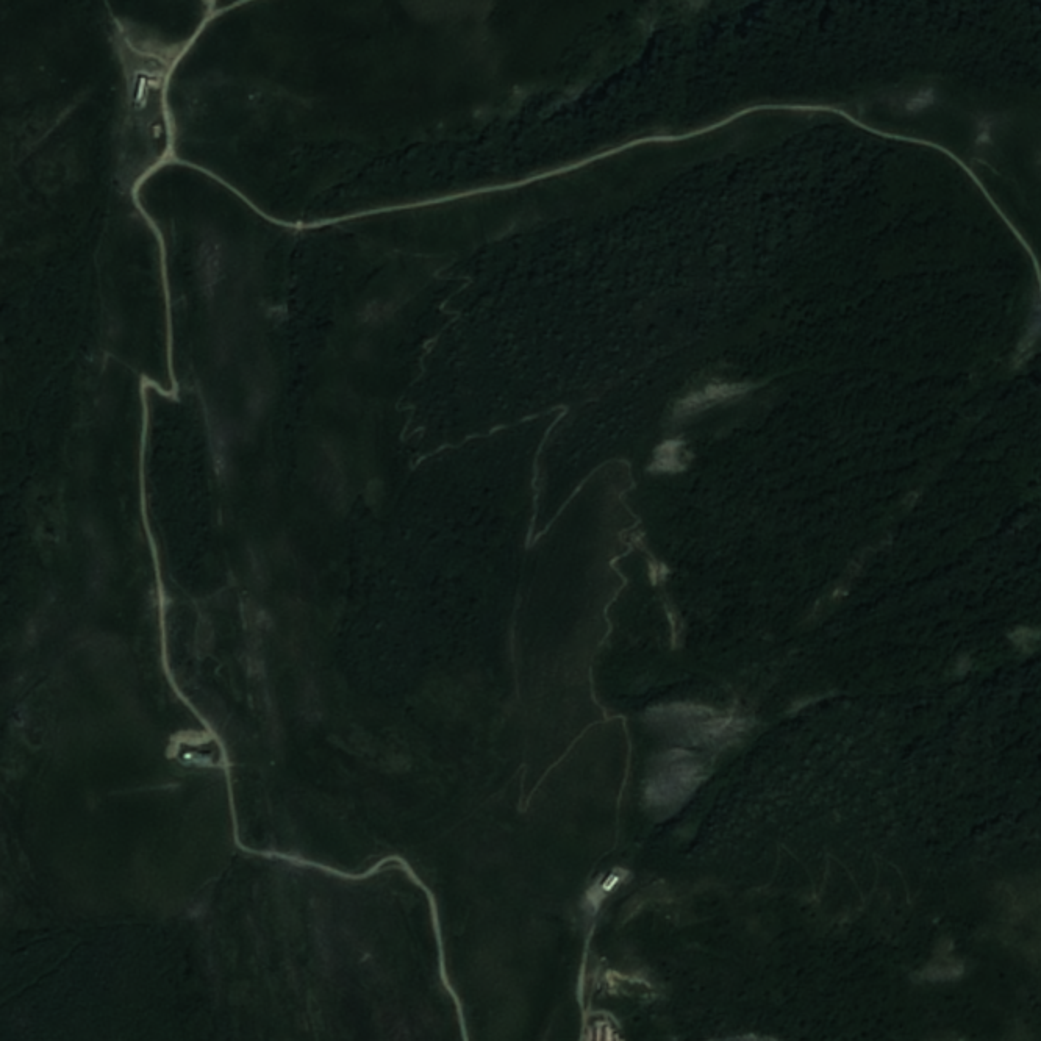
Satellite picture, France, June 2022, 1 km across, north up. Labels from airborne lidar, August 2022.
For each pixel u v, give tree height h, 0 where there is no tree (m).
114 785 0
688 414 0
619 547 0
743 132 0
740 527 7
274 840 0
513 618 0
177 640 0
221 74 0
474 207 0
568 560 0
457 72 0
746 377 8
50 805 0
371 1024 0
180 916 0
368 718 0
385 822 0
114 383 0
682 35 8
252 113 0
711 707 0
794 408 13
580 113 6
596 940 0
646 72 12
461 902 0
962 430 7
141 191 0
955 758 7
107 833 0
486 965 0
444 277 0
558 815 0
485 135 9
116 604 0
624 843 0
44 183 0
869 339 9
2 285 0
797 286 9
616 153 0
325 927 0
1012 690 7
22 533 9
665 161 0
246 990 0
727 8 8
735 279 6
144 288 0
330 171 0
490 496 8
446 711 0
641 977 0
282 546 0
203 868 0
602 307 7
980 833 8
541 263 6
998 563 8
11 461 0
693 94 7
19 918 0
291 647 0
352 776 0
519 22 0
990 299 8
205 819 0
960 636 10
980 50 7
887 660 12
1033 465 6
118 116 0
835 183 7
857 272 8
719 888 0
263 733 0
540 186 0
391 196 0
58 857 0
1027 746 11
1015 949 0
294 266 7
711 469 9
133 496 0
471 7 0
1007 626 10
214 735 0
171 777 0
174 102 0
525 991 0
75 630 0
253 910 0
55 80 0
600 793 0
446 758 0
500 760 0
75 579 0
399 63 0
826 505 13
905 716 7
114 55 0
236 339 0
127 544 0
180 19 0
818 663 6
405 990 0
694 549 9
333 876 0
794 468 12
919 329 8
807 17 7
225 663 0
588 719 0
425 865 0
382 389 0
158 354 0
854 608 6
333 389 0
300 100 0
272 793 0
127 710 0
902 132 0
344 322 0
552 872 0
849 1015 8
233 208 0
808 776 6
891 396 9
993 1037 0
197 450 7
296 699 0
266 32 0
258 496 0
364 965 0
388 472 0
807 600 7
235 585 0
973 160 0
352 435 0
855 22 7
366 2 0
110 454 0
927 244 7
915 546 6
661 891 0
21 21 0
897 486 10
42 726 0
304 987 0
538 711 0
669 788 0
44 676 0
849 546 10
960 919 7
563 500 0
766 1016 8
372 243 0
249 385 0
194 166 0
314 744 0
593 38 7
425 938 0
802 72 6
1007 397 7
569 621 0
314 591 0
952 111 0
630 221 7
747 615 10
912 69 6
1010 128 0
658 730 0
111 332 0
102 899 0
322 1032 0
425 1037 0
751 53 6
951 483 10
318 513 0
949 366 19
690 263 6
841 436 6
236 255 0
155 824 0
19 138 0
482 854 0
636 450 0
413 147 11
